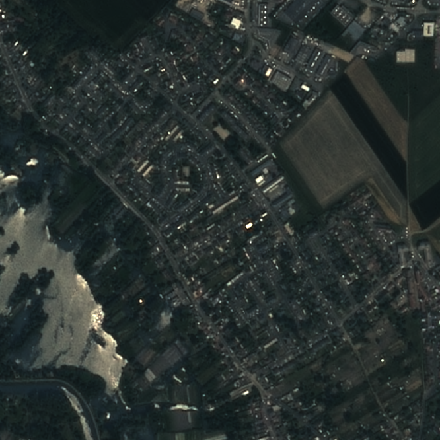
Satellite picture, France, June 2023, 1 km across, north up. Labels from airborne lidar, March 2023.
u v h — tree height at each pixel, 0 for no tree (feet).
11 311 0
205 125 0
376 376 0
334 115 0
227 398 29
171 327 0
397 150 0
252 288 0
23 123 51
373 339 0
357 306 0
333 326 0
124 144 39
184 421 0
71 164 0
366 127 0
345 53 0
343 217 0
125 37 0
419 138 0
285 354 0
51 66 34
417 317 40
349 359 0
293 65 0
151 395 0
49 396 73
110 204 26
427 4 0
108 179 0
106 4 0
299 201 0
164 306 0
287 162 0
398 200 0
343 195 0
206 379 0
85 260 0
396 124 0
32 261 0
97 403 0
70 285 0
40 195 50
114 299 56
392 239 0
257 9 0
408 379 0
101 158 31
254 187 0
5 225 0
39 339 0
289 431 29
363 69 0
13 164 0
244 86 0
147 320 55
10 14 0
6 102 0
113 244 0
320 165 0
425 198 0
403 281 0
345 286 0
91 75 0
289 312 0
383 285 0
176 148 0
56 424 53
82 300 0
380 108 0
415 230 0
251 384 0
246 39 0
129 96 0
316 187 0
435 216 0
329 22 0
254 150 39
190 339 30
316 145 0
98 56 0
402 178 0
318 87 0
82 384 33
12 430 41
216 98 0
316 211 0
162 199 0
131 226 24
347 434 0
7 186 0
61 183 0
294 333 46
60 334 0
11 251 34
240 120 0
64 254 0
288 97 23
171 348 0
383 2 0
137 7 0
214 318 33
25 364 0
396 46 0
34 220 0
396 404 0
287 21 0
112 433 98
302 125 0
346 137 0
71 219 0
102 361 0
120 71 25
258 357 0
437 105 0
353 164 0
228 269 0
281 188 0
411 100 0
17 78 0
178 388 0
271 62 0
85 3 0
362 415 0
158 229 0
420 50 0
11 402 30
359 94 0
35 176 0
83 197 0
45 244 0
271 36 0
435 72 0
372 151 0
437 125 0
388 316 0
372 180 0
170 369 0
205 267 0
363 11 0
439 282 0
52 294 0
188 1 0
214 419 32
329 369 0
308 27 20
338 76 0
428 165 0
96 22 0
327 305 0
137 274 0
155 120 0
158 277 0
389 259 23
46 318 56
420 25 0
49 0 42
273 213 0
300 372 0
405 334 32
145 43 0
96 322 0
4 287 0
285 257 38
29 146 28
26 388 0
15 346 39
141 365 27
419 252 0
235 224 0
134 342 0
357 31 0
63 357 0
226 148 49
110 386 0
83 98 0
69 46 43
